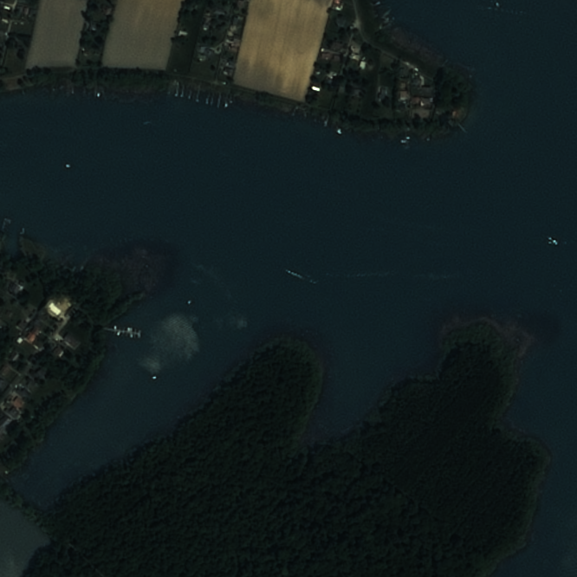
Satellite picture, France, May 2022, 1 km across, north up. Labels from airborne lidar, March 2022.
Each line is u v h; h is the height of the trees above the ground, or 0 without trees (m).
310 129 0
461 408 20
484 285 0
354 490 27
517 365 0
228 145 0
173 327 0
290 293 0
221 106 0
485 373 20
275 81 0
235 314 0
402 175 0
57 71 0
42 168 0
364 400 0
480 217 0
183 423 12
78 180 0
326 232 0
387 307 0
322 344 0
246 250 0
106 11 0
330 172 0
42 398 0
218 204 0
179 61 0
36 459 0
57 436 0
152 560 23
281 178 0
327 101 0
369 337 0
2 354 17
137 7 0
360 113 0
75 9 0
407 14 0
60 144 0
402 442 18
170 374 0
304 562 19
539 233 0
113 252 0
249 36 0
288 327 0
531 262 0
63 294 18
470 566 28
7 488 14
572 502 0
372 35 0
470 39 0
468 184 0
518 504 18
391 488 28
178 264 0
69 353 6
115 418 0
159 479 26
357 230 0
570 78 0
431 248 0
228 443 23
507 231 0
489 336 7
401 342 0
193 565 25
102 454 0
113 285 8
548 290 0
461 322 0
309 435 0
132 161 0
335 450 20
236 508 29
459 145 0
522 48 0
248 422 25
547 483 0
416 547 29
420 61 0
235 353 0
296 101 0
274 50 0
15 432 20
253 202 0
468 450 17
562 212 0
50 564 25
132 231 0
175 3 0
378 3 0
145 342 0
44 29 0
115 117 0
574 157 0
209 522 28
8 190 0
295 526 23
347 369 0
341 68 0
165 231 0
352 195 0
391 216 0
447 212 0
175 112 0
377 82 0
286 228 0
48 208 0
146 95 0
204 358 0
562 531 0
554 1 0
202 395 0
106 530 22
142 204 0
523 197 0
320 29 0
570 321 0
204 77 0
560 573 0
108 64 0
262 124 0
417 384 17
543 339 0
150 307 0
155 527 24
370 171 0
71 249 0
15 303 11
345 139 0
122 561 24
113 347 0
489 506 19
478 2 0
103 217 0
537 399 0
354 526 24
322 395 0
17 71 0
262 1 0
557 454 0
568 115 0
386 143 0
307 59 0
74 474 0
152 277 0
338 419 0
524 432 0
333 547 28
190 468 24
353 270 0
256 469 24
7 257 17
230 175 0
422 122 20
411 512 29
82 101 0
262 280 0
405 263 0
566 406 0
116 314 11
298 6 0
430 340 0
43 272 18
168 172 0
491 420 14
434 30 0
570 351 0
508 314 0
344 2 0
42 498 0
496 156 0
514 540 19
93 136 0
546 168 0
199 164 0
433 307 0
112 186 0
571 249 0
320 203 0
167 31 0
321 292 0
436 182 0
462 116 0
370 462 18
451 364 23
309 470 23
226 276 0
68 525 19
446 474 18
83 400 0
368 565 29
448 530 19
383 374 0
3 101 0
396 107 12
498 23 0
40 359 15
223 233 0
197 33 0
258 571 20
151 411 0
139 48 0
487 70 0
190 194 0
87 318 14
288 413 24
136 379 0
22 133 0
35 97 0
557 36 0
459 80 7
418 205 0
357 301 0
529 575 0
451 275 0
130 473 20
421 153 0
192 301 0
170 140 0
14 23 0
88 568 24
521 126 0
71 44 0
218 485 22
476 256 0
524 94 0
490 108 0
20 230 0
